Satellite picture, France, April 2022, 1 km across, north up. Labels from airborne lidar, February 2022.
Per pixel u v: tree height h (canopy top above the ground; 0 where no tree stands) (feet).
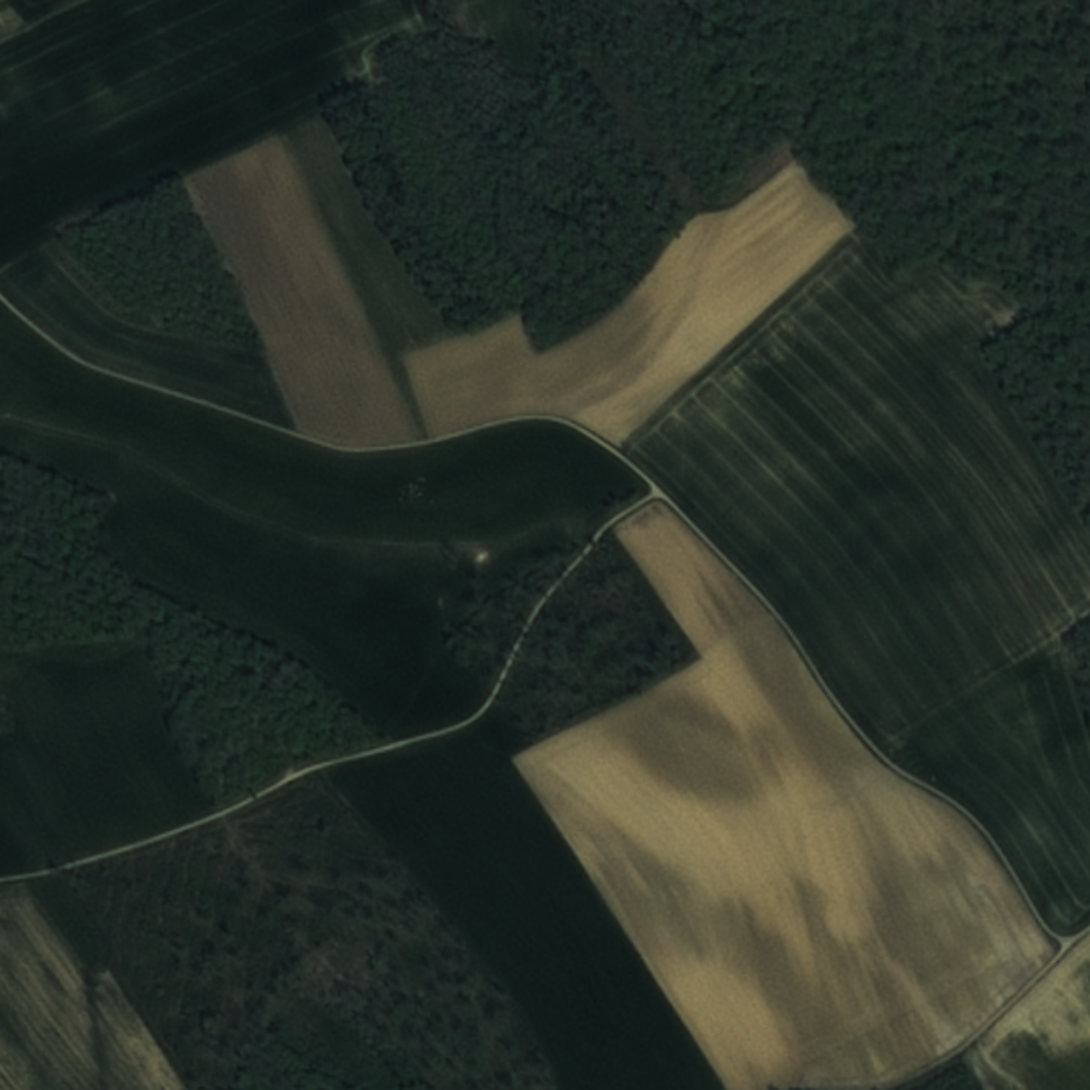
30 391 0
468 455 0
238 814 0
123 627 66
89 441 0
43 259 0
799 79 76
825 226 0
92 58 0
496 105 44
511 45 0
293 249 0
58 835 0
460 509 0
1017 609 0
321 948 0
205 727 75
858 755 0
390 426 0
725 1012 0
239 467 0
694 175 72
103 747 0
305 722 72
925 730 0
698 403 0
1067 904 0
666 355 0
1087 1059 0
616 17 70
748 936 0
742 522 0
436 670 0
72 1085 0
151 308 55
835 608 0
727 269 0
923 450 0
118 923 0
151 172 0
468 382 0
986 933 0
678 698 0
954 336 0
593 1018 0
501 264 57
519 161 70
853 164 70
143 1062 0
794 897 0
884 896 0
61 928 0
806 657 0
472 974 68
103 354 0
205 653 67
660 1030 0
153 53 0
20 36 0
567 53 41
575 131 70
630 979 0
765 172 0
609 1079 0
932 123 70
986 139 71
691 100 83
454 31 55
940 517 0
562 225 51
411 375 0
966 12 47
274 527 0
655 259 63
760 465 0
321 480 0
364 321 0
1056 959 0
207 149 0
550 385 0
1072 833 0
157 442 0
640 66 79
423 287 43
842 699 0
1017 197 61
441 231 54
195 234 69
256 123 0
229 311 67
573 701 71
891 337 0
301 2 0
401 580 0
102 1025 0
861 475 0
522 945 0
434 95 69
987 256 68
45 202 0
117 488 0
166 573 0
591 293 61
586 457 0
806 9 41
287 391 0
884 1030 0
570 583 71
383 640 0
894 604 0
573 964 0
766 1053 0
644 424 0
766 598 0
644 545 0
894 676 0
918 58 75
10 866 0
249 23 0
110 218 48
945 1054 0
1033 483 0
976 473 0
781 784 0
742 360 0
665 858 0
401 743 0
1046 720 0
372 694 0
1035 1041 0
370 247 0
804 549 0
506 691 26
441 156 70
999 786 0
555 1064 0
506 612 67
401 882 75
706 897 0
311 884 92
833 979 0
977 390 0
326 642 0
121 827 0
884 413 0
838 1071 0
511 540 0
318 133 0
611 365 0
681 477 0
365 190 63
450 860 0
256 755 71
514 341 0
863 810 0
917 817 0
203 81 0
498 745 0
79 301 0
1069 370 66
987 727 0
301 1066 69
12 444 0
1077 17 21
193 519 0
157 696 0
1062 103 84
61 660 0
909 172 57
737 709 0
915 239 82
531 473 0
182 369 0
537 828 0
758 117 34
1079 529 0
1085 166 72
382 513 0
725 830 0
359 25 0
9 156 0
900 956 0
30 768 0
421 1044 82
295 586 0
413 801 0
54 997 0
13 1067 0
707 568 0
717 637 0
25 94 0
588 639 67
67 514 70
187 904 18
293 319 0
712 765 0
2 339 0
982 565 0
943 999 0
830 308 0
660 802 0
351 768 0
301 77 0
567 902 0
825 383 0
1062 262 75
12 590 84
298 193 0
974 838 0
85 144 0
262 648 63
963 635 0
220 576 0
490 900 0
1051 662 0
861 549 0
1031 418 71
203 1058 79
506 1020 75
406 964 0
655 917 0
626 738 0
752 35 75
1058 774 0
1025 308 57
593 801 0
